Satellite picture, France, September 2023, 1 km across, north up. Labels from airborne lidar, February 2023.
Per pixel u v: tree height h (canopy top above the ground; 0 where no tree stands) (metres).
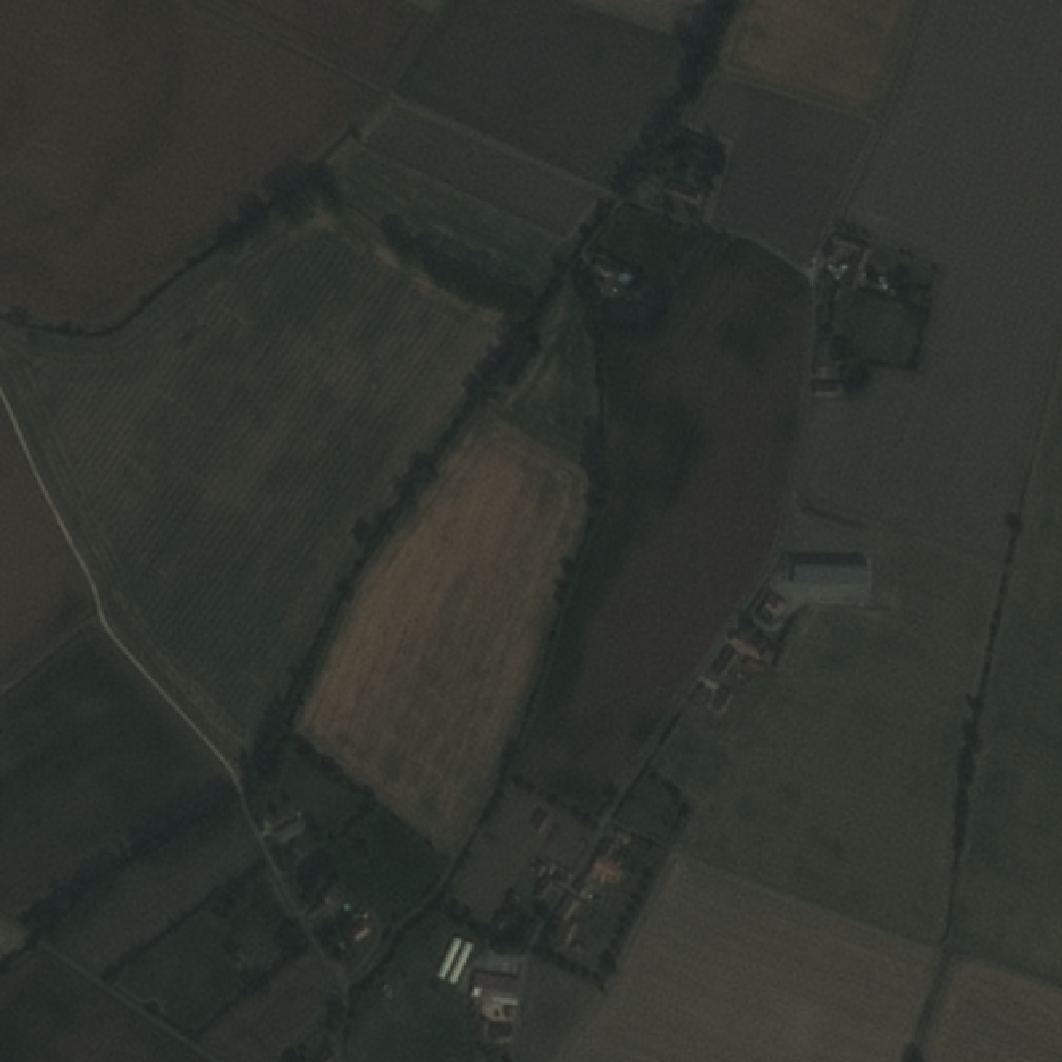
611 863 0
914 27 0
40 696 0
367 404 0
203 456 0
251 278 0
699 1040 0
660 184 0
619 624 0
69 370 0
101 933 0
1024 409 0
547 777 0
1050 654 0
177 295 0
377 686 0
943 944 0
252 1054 0
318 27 0
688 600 0
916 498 0
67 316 0
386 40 0
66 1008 0
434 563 0
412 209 0
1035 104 0
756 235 0
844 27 0
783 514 0
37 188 0
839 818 0
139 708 0
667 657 0
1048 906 0
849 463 0
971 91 0
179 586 0
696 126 0
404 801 0
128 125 0
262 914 0
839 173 0
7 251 0
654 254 0
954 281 0
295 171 0
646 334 30
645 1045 0
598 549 0
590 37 0
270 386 0
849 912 0
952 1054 0
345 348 0
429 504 0
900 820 0
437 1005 0
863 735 0
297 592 0
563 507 0
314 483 0
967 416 0
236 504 0
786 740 0
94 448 0
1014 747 0
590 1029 0
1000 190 0
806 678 0
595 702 0
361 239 0
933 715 0
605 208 8
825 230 0
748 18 0
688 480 0
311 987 0
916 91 0
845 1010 0
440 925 0
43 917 15
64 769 0
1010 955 0
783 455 0
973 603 0
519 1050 0
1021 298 0
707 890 0
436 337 0
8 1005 0
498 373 17
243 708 0
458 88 0
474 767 0
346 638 0
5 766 0
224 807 29
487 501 0
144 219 0
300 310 0
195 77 0
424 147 0
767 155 0
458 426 7
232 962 16
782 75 0
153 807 0
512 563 0
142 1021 0
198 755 0
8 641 0
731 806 0
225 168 0
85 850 0
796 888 0
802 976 0
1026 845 0
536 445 0
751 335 0
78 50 0
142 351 0
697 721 0
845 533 0
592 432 0
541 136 0
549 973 0
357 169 0
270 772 24
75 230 0
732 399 0
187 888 0
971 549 0
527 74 0
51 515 0
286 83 0
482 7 0
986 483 0
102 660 0
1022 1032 0
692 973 0
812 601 0
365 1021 0
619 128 0
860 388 12
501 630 0
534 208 0
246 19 0
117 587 0
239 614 0
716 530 0
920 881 0
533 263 0
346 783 9
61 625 0
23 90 0
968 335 0
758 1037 0
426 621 0
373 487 0
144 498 0
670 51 0
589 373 0
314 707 0
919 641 0
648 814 0
